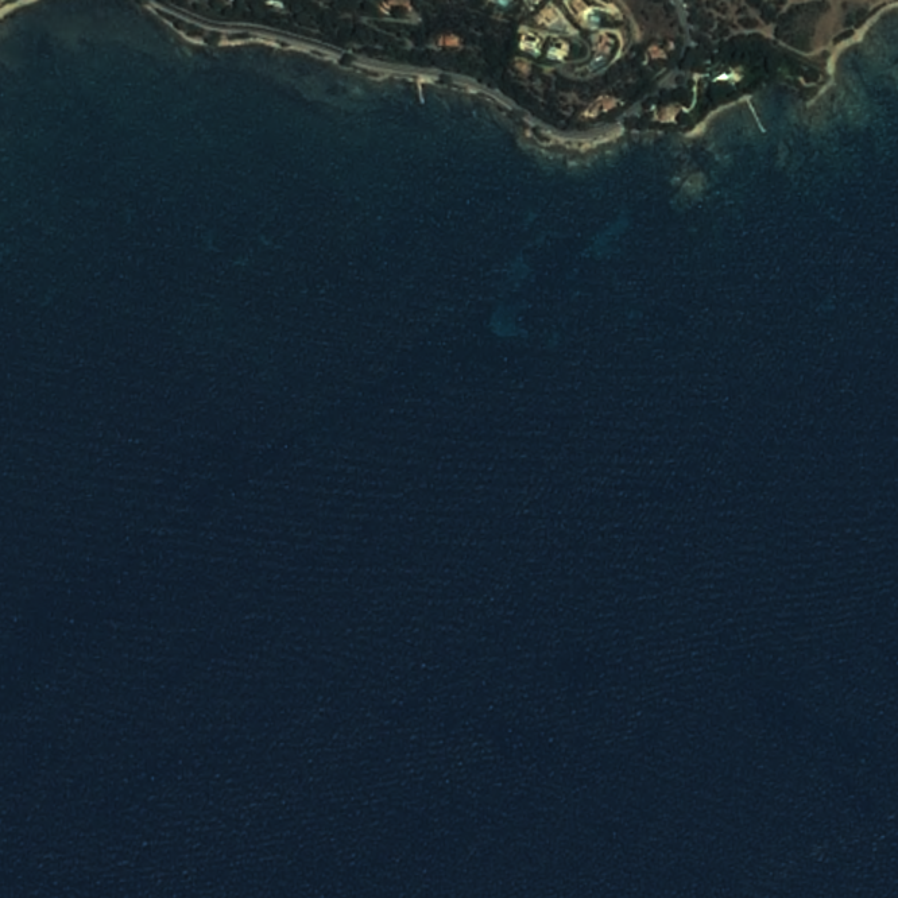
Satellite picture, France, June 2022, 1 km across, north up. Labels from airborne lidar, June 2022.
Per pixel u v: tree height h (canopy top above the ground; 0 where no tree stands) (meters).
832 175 0
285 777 0
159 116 0
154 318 0
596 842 0
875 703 0
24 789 0
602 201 0
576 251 0
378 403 0
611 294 0
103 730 0
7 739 0
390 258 0
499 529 0
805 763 0
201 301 0
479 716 0
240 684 0
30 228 0
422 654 0
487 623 0
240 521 0
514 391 0
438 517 0
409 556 0
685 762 0
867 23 0
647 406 0
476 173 0
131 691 0
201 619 0
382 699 0
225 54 0
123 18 0
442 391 0
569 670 0
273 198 0
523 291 0
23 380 0
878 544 0
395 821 0
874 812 0
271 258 0
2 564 0
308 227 0
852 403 0
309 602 0
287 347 0
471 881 0
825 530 0
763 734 0
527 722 0
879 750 0
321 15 8
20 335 0
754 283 0
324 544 0
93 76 0
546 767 0
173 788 0
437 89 0
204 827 0
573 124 13
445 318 0
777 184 0
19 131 0
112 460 0
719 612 0
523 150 0
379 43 16
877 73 0
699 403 0
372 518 0
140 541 0
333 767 0
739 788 0
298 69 0
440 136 0
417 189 0
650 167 0
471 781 0
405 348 0
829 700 0
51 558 0
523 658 0
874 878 0
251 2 8
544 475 0
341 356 0
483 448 0
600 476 0
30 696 0
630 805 0
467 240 0
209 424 0
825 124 0
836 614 0
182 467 0
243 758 0
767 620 0
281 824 0
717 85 13
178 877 0
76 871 0
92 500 0
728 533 0
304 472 0
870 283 0
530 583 0
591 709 0
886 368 0
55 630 0
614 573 0
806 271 0
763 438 0
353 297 0
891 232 0
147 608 0
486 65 7
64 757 0
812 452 0
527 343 0
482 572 0
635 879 0
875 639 0
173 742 0
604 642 0
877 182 0
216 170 0
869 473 0
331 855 0
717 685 0
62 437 0
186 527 0
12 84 0
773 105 0
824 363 0
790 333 0
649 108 14
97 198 0
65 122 0
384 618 0
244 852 0
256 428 0
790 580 0
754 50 10
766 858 0
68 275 0
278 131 0
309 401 0
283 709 0
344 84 0
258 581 0
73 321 0
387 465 0
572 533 0
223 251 0
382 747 0
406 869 0
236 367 0
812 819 0
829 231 0
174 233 0
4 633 0
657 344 0
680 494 0
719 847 0
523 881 0
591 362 0
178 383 0
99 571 0
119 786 0
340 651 0
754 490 0
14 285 0
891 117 0
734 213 0
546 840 0
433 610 0
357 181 0
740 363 0
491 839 0
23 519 0
